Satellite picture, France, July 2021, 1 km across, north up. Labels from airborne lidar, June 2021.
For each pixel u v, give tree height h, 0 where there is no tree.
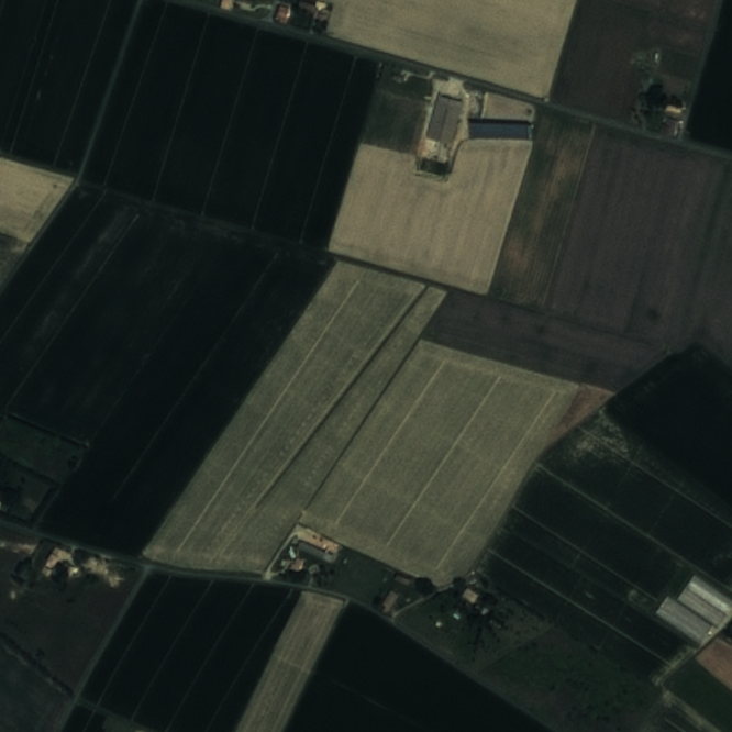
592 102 0
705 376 0
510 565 0
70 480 0
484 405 0
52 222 0
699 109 0
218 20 0
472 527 0
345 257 0
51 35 0
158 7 0
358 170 0
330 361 0
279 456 0
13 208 0
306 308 0
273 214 0
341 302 0
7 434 0
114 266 0
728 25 0
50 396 0
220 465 0
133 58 0
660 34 0
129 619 0
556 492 0
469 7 0
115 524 0
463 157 0
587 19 0
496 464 0
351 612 0
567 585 0
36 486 0
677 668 0
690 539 0
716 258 0
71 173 0
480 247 0
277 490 0
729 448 0
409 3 0
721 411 0
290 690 0
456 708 0
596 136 0
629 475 0
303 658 0
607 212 0
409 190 0
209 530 0
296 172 0
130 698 0
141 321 0
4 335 0
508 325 0
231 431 0
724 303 0
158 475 0
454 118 0
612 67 0
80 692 0
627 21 0
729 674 0
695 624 0
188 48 0
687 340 0
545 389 0
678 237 0
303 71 0
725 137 0
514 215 0
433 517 0
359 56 0
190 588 0
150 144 0
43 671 14
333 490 0
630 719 0
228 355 0
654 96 12
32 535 0
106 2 0
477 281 0
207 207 0
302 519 0
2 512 9
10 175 0
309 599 0
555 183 0
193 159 0
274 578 0
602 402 0
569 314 0
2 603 0
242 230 0
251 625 0
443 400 0
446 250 0
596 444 0
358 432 0
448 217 0
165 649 0
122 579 0
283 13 0
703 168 0
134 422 0
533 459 0
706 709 0
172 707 0
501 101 0
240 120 0
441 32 0
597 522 0
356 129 0
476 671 0
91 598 0
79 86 0
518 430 0
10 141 0
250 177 0
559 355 0
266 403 0
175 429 0
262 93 0
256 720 0
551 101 0
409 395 0
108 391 0
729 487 0
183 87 0
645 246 0
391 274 0
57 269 0
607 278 0
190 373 0
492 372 0
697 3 0
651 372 0
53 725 0
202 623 0
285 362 0
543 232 0
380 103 0
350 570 0
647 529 0
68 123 0
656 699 0
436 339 0
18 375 0
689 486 0
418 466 0
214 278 0
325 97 0
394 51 0
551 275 0
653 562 0
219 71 0
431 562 0
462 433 0
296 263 0
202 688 0
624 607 0
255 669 0
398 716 0
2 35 0
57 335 0
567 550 0
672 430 0
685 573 0
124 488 0
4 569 0
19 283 0
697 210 0
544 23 0
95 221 0
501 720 0
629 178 0
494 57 0
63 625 0
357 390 0
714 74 0
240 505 0
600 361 0
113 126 0
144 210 0
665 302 0
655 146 0
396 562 0
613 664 0
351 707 0
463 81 0
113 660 0
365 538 0
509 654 0
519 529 0
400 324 0
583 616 0
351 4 0
